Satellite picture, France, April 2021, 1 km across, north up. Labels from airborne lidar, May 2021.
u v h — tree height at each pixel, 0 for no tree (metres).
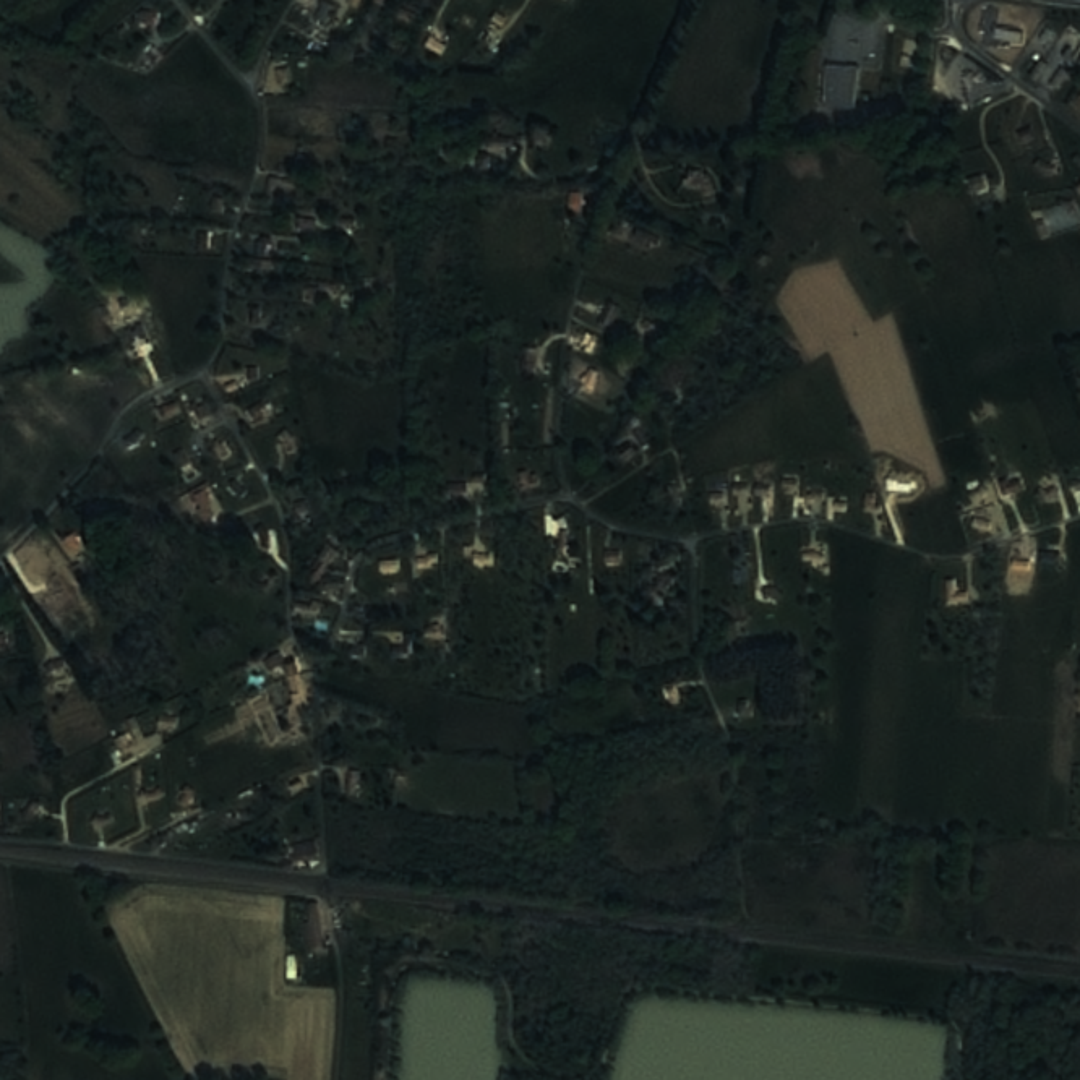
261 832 6
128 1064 14
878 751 0
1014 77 0
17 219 0
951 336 0
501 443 13
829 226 0
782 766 10
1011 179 0
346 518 10
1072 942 0
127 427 0
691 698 7
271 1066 0
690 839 0
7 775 0
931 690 0
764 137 24
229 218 9
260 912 0
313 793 5
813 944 0
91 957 0
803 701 11
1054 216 0
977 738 0
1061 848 0
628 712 0
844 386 0
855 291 0
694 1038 0
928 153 21
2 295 0
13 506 0
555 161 0
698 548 0
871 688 0
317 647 15
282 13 0
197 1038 0
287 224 11
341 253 14
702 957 7
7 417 0
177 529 21
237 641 11
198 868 0
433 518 17
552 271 0
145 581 16
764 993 6
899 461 0
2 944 0
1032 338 0
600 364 0
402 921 0
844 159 0
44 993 0
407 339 10
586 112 0
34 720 7
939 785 0
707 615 11
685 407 7
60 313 0
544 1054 8
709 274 10
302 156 7
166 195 0
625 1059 0
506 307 0
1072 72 13
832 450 0
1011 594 0
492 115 22
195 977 0
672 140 18
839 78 0
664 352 20
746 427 0
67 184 11
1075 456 0
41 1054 0
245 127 0
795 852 0
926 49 17
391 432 0
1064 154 0
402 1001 7
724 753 10
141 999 0
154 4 12
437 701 0
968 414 0
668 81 18
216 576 12
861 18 10
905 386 0
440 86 12
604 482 13
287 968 0
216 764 0
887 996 0
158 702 14
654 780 11
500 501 18
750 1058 0
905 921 16
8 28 9
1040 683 0
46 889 0
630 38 0
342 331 16
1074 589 0
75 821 0
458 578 9
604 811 12
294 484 6
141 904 0
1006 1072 18
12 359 0
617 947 14
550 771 14
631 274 0
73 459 0
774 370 8
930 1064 0
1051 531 0
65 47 16
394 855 7
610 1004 15
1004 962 0
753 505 0
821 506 0
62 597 0
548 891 16
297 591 10
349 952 14
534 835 12
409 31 7
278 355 16
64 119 0
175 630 14
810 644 0
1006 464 0
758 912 0
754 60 0
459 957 7
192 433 0
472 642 8
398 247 8
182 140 0
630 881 9
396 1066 9
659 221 17
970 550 0
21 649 9
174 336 0
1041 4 0
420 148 17
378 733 7
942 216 0
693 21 25
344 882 11
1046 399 0
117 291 14
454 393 0
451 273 10
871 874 7
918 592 0
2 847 0
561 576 7
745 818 16
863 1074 0
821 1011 13
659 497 11
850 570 0
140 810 0
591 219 12
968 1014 15
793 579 0
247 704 0
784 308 0
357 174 13
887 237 0
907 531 0
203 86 0
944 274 0
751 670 19
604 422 0
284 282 12
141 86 0
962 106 13
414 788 0
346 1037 0
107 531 23
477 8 0
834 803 0
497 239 0
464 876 8
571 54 0
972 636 7
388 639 0
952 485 0
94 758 0
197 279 0
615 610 13
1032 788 0
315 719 21
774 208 0
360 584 0
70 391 0
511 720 0
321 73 0
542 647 11
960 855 21
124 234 15
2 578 17
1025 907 0
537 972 14
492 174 13
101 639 0
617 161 14
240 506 0
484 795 0
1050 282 0
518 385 0
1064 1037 13
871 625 0
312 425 0
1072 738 0
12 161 0
